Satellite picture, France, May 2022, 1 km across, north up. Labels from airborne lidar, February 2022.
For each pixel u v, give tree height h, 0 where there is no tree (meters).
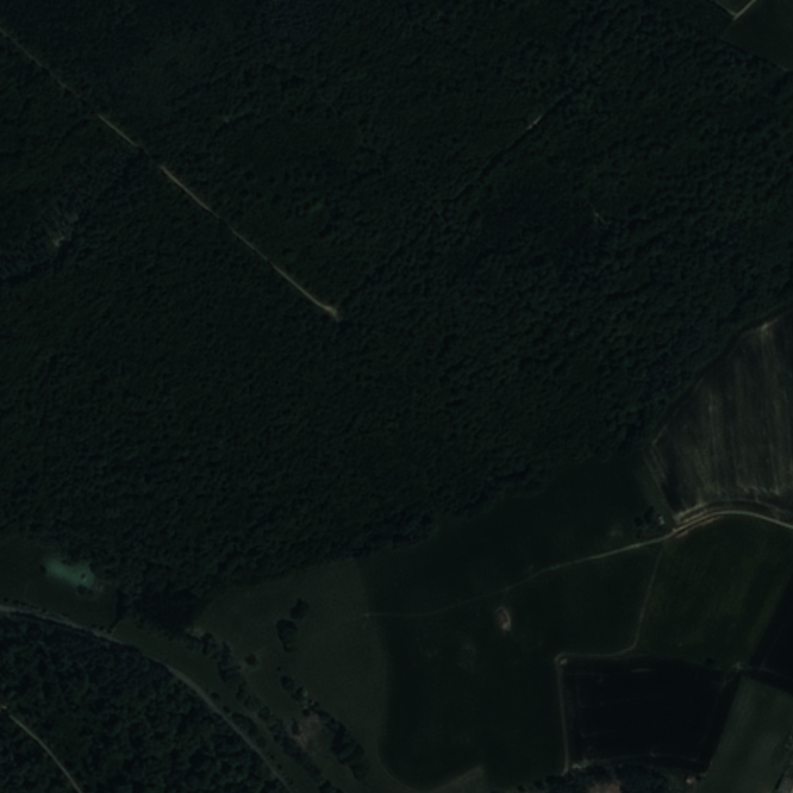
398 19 18
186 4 15
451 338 23
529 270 22
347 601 0
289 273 13
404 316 23
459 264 17
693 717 0
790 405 0
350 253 16
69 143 11
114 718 25
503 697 0
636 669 0
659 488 0
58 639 30
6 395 16
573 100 22
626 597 0
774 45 0
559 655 0
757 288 23
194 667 0
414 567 0
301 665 0
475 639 0
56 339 13
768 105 12
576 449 23
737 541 0
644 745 0
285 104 17
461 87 20
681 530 0
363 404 16
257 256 13
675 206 25
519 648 0
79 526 19
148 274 19
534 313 25
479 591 0
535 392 24
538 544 0
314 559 17
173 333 12
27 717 22
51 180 5
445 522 0
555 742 0
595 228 12
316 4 21
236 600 0
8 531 22
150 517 17
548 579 0
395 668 0
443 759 0
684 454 0
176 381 15
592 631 0
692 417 0
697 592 0
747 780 0
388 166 21
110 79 14
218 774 31
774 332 0
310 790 0
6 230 13
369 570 0
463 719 0
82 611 0
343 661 0
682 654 0
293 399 20
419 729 0
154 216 13
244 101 21
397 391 15
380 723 0
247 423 17
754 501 0
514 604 0
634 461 0
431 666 0
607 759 0
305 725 0
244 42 21
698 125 21
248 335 12
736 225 16
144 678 31
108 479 24
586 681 0
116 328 16
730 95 15
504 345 26
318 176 20
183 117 21
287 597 0
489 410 20
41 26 13
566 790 25
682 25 21
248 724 14
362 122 19
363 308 21
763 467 0
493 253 17
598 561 0
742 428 0
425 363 16
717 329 19
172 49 19
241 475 23
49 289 14
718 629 0
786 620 0
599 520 0
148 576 22
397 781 0
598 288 25
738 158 23
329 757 0
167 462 22
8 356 17
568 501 0
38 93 18
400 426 15
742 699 0
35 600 0
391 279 23
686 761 0
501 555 0
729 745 0
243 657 0
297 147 11
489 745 0
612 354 22
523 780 0
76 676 27
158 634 22
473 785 0
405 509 13
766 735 0
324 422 15
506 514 0
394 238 19
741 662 0
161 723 31
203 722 28
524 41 11
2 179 17
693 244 22
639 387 19
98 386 22
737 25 0
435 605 0
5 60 19
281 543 22
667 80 22
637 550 0
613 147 22
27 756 24
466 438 17
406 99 16
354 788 0
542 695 0
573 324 23
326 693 0
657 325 23
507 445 23
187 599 35
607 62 21
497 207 11
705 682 0
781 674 0
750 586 0
